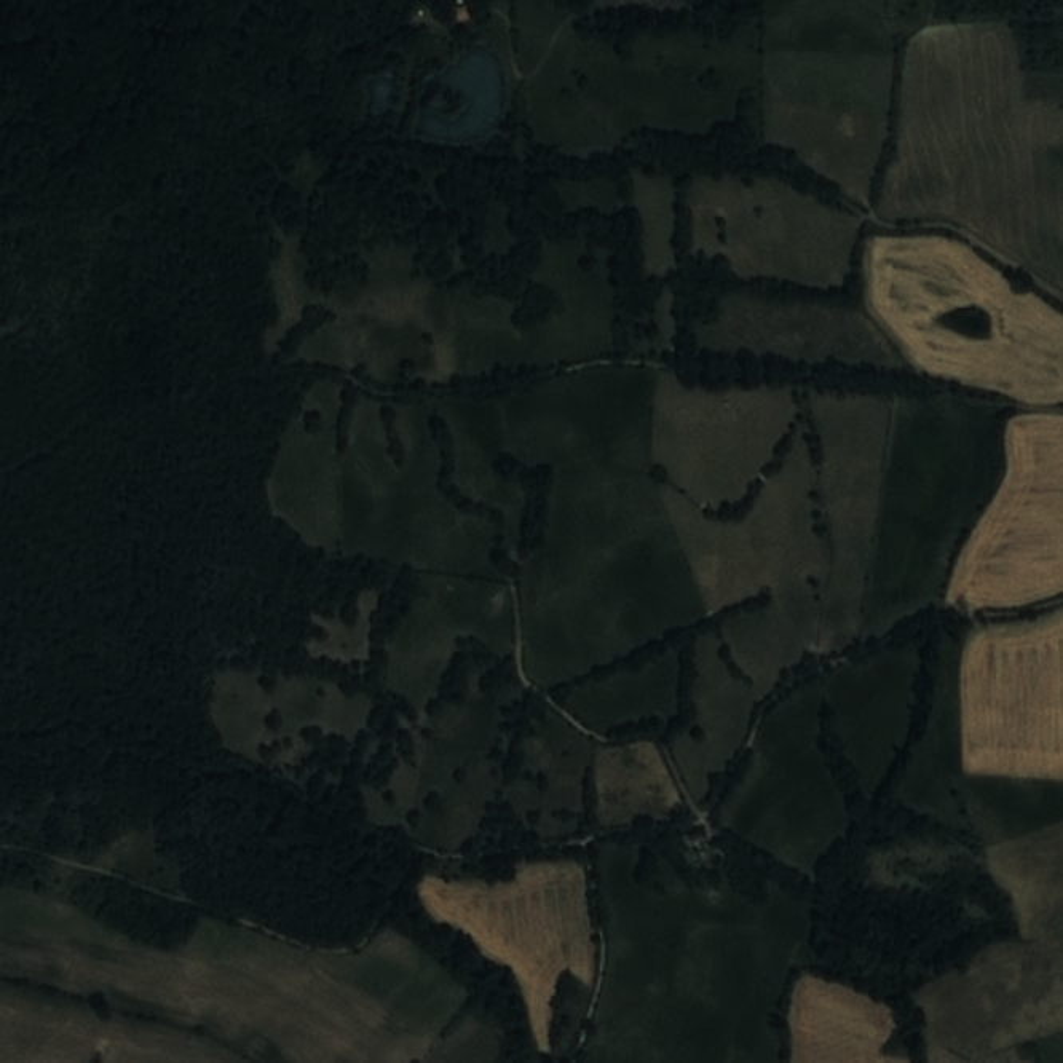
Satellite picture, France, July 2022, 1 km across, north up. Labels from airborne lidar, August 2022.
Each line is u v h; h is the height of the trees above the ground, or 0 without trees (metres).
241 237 12
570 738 0
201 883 14
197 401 14
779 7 0
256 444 13
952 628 13
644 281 14
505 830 12
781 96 0
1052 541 0
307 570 13
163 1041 0
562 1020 8
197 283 14
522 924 0
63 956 0
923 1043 19
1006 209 0
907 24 0
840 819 0
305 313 8
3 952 0
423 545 0
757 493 8
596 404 0
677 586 0
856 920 22
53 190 7
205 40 22
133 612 18
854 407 0
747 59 0
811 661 20
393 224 15
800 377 10
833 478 0
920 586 0
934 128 0
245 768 8
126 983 0
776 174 12
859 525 0
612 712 0
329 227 14
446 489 9
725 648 11
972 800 0
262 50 22
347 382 10
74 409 14
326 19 19
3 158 13
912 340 0
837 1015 0
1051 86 0
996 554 0
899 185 0
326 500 0
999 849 0
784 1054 9
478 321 0
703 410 0
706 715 0
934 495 0
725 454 0
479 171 17
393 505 0
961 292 0
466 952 30
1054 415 0
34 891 7
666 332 0
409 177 11
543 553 0
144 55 19
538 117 0
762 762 0
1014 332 0
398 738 13
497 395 19
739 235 0
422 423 0
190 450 14
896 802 13
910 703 0
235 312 14
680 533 0
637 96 0
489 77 0
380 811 0
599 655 0
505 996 15
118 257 11
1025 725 0
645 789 0
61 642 15
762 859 13
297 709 0
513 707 9
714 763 0
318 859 24
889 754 0
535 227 14
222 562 17
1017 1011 0
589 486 0
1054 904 0
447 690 9
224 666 12
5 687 15
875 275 0
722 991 0
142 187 14
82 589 15
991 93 0
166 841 10
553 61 0
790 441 10
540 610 0
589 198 0
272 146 15
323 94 19
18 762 18
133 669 14
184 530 18
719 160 11
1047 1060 0
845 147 0
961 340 0
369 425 0
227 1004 0
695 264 13
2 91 17
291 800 27
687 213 14
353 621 12
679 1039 0
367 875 16
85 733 23
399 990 0
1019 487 0
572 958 0
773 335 0
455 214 17
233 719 0
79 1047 0
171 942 6
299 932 12
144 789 11
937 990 0
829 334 0
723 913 0
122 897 12
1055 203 0
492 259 14
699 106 0
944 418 0
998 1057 0
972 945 16
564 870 0
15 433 8
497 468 16
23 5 17
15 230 8
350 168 15
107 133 13
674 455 0
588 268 7
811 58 0
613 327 7
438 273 15
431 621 0
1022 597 0
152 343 15
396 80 16
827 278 0
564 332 0
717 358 19
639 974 0
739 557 0
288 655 16
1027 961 0
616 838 15
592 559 0
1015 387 0
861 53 0
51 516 16
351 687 11
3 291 9
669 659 0
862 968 20
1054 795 0
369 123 10
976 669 0
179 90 21
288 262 0
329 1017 0
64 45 24
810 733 0
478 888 0
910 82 0
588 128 0
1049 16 8
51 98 18
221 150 13
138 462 14
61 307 6
